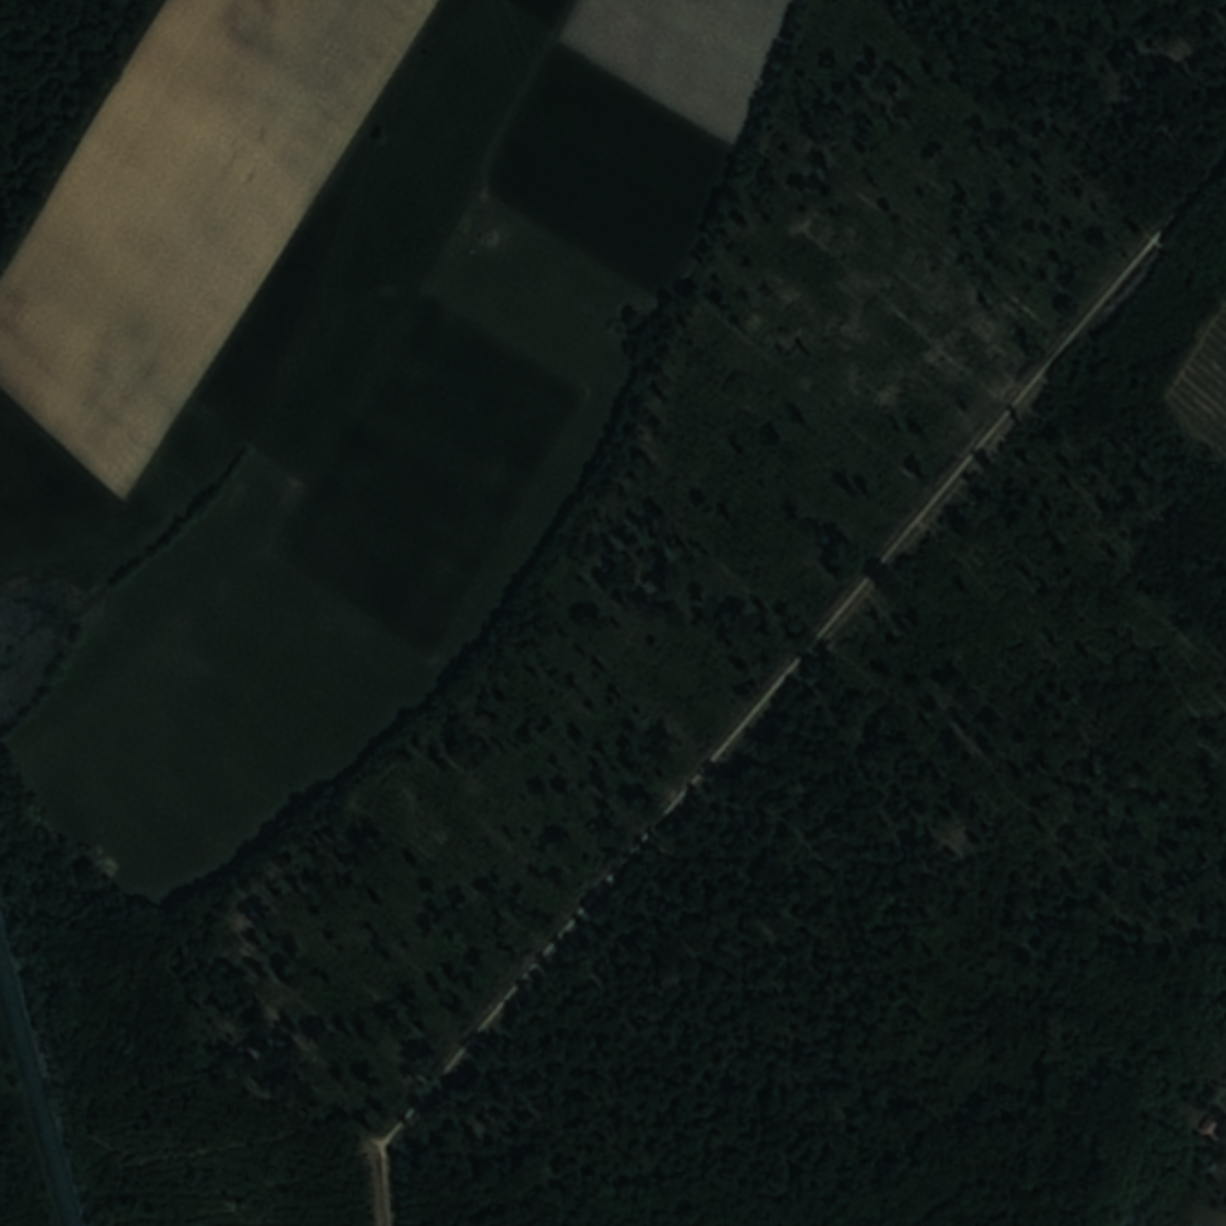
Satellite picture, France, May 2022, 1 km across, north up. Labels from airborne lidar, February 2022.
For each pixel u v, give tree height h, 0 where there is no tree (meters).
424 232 0
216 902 24
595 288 0
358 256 0
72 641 10
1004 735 21
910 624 25
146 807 0
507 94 0
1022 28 26
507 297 0
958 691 28
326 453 0
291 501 0
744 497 0
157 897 0
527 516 0
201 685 0
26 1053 0
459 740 22
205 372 0
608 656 0
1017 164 23
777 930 25
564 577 0
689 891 26
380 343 0
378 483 0
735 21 0
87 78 23
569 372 0
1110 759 23
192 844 0
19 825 23
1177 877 0
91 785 0
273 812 0
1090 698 12
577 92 0
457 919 23
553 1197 24
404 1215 21
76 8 24
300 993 0
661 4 0
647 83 0
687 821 22
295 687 0
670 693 0
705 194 0
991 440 0
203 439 0
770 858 22
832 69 22
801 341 0
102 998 21
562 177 0
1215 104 24
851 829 27
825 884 26
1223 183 17
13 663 0
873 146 29
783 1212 21
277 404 0
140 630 0
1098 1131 19
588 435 0
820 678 24
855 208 0
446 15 0
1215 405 0
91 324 0
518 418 0
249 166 0
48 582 0
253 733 0
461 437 0
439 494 0
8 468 0
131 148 0
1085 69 27
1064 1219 22
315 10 0
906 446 0
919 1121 24
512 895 0
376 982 0
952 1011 8
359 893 25
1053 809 23
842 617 0
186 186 0
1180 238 11
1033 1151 21
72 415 0
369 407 0
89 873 16
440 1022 0
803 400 0
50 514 0
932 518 0
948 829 0
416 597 0
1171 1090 15
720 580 0
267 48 0
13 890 25
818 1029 25
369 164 0
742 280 0
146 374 0
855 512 0
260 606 0
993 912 9
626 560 14
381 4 0
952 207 0
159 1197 6
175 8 0
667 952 27
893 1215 24
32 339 0
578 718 0
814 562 0
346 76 0
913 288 0
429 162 0
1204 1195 0
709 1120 16
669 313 12
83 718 0
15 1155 15
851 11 0
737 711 0
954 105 0
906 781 18
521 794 0
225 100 0
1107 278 0
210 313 0
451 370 0
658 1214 21
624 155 0
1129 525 0
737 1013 24
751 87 0
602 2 0
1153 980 26
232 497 0
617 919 21
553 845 22
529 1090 25
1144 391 13
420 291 0
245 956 0
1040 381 0
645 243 0
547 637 16
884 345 0
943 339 0
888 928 16
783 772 24
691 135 0
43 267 0
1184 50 0
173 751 0
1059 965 23
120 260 0
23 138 24
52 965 21
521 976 0
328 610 0
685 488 0
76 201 0
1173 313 11
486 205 0
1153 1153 15
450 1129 31
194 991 25
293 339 0
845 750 21
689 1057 20
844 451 0
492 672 21
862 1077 24
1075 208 0
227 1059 23
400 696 0
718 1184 18
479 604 0
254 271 0
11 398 0
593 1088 24
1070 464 23
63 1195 0
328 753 0
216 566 0
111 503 0
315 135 0
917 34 25
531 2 0
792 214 0
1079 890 27
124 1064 20
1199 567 20
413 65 0
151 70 0
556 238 0
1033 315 0
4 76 24
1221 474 17
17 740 0
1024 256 0
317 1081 0
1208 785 26
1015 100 27
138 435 0
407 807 0
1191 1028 22
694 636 0
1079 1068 0
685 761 0
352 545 0
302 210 0
